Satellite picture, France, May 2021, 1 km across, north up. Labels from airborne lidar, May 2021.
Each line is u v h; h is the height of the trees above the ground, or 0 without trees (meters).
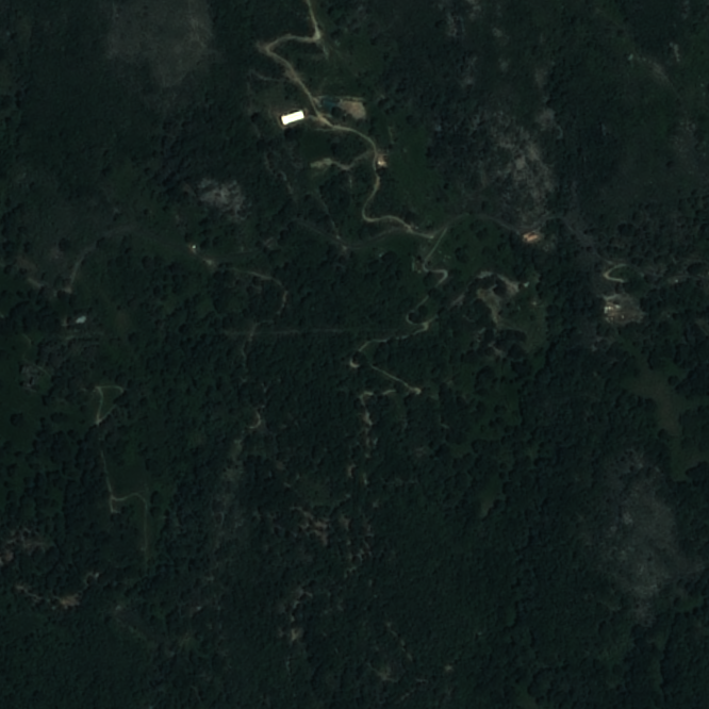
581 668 16
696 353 18
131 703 10
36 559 16
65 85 6
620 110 7
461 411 13
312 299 17
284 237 17
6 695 9
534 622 23
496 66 7
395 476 20
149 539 0
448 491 19
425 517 11
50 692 17
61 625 14
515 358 15
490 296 0
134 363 6
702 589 14
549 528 21
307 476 13
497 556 18
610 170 6
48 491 14
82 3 7
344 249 0
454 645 13
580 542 11
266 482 14
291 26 7
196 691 11
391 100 11
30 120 6
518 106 7
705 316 16
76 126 7
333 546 16
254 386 13
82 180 7
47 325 13
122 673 8
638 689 18
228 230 9
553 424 8
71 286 12
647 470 8
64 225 0
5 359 7
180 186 15
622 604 6
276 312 6
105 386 0
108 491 9
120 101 9
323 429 14
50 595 20
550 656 12
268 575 16
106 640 7
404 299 7
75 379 12
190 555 16
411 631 13
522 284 9
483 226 9
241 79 6
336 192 10
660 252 9
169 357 17
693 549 7
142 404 13
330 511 16
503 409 11
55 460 14
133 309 12
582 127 6
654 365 16
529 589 22
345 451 17
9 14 8
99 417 0
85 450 15
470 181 6
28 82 6
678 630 18
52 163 7
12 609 15
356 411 14
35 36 6
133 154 6
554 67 9
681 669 18
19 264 6
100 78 6
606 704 16
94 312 13
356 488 13
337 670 8
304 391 12
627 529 6
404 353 8
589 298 15
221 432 9
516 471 12
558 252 12
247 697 8
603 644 18
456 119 5
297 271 11
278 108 0
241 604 11
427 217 0
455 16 9
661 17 7
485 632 13
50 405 16
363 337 8
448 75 10
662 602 8
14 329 13
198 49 0
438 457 16
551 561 17
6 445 10
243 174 9
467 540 17
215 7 6
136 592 10
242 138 9
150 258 10
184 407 10
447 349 14
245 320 6
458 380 11
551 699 13
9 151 9
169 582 14
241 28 8
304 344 11
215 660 13
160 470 16
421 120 10
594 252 10
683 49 6
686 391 19
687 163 0
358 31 16
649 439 16
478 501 14
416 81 8
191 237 12
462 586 16
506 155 8
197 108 5
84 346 13
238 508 10
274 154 12
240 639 7
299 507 11
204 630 14
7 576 17
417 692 9
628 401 15
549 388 14
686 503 19
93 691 16
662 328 14
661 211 10
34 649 9
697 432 9
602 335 11
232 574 9
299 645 14
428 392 13
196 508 14
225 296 10
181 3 0
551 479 15
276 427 15
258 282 15
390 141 0
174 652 11
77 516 13
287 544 8
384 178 17
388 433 15
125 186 0
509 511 20
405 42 5
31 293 11
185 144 17
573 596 22
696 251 20
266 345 10
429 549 10
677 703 17
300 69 6
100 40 10
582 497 16
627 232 22
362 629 11
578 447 16
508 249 16
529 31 7
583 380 12
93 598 15
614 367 14
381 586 11
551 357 25
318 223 11
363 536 14
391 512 12
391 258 15
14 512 17
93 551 11
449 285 8
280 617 11
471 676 13
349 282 12
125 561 9
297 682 13
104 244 13
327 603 13
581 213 5
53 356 14
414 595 6
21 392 0
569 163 18
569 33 11
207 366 21
